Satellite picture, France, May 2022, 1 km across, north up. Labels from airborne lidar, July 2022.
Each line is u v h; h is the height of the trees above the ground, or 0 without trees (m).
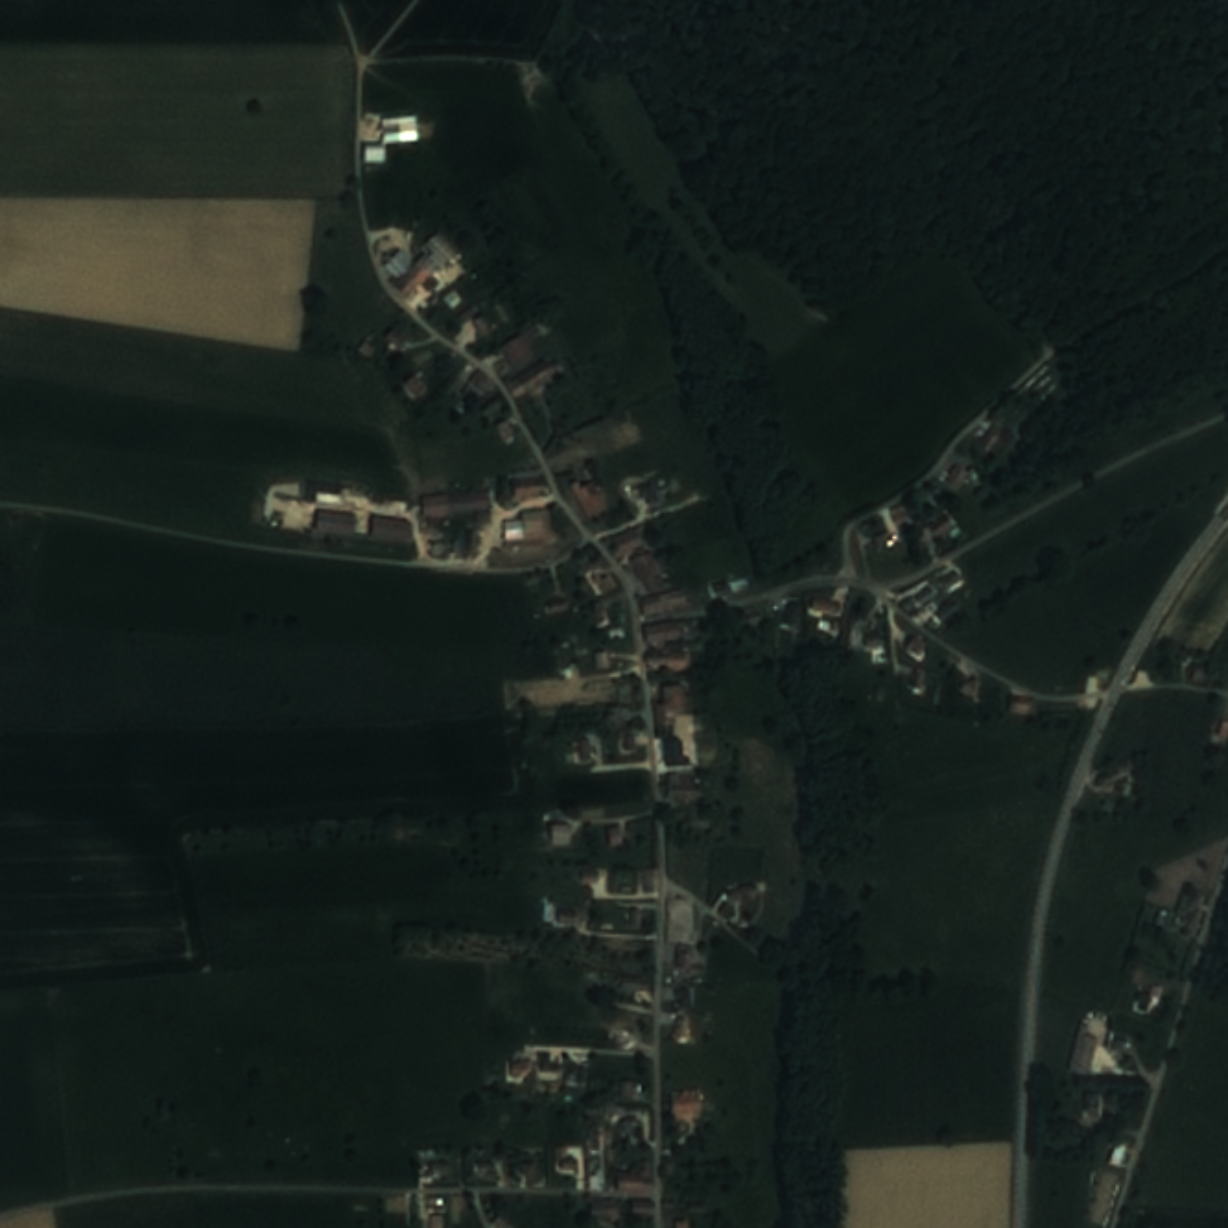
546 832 0
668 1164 7
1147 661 0
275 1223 0
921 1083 0
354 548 0
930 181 34
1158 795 0
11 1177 0
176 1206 0
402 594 0
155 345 0
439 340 0
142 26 0
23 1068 0
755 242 23
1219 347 20
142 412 0
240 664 0
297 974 0
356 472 0
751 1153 0
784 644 0
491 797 0
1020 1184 0
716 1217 8
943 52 32
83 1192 0
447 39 0
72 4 0
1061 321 21
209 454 0
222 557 0
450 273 0
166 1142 0
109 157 0
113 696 0
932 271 0
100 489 0
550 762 0
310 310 16
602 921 10
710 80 32
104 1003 0
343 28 0
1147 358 17
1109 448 0
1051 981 0
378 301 0
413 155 0
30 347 0
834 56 25
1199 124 26
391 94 0
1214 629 0
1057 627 0
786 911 0
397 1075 0
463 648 0
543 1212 0
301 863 0
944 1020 0
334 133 0
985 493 12
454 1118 0
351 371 0
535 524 0
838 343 0
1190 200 23
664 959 0
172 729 0
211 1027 0
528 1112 17
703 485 0
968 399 0
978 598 0
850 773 26
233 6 0
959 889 0
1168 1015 6
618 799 0
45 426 0
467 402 9
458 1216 0
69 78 0
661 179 0
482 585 0
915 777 0
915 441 0
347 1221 0
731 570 0
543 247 0
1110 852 0
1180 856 0
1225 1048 0
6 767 0
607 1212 0
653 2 32
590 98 0
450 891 0
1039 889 0
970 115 31
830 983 27
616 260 0
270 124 0
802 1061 24
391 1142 0
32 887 0
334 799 0
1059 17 26
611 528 6
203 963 0
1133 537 12
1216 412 0
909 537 16
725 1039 0
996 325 0
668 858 0
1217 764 14
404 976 0
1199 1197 0
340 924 0
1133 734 0
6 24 0
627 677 7
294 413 0
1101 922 0
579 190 0
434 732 0
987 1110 0
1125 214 27
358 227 0
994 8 33
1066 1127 20
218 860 0
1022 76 28
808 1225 24
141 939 0
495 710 0
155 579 0
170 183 0
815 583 0
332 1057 0
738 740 0
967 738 0
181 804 0
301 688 0
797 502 21
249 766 0
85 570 0
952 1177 0
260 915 0
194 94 0
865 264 30
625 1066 0
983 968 0
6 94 0
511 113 0
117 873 0
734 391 24
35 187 0
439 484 0
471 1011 0
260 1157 0
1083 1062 0
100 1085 0
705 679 7
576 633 0
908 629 0
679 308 23
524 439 0
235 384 0
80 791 0
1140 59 29
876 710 0
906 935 0
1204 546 0
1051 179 28
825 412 0
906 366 0
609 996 15
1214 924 8
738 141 25
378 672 0
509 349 0
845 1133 0
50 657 0
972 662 0
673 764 0
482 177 0
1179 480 0
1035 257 29
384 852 0
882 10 29
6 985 0
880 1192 0
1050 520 0
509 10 0
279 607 0
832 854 20
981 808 0
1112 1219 0
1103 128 27
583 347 0
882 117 29
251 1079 8
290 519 0
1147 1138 0
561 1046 0
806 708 27
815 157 28
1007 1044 0
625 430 0
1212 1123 0
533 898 0
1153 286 19
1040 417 14
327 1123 0
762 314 0
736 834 11
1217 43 29
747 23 29
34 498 0
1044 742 0
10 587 0
